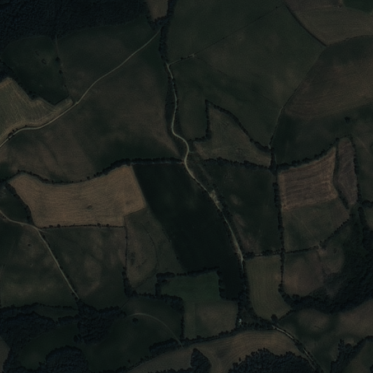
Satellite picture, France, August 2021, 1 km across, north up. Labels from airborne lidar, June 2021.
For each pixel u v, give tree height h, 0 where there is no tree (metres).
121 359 0
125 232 0
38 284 0
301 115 0
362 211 15
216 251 0
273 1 0
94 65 0
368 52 0
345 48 0
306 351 6
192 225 0
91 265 0
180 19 0
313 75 0
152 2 0
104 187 0
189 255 0
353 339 0
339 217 0
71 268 0
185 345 15
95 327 11
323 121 0
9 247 0
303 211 0
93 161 0
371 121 0
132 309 0
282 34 0
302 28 0
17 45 0
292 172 0
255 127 0
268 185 0
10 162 0
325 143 0
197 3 0
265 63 0
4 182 14
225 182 0
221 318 0
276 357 9
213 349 0
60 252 0
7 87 0
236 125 0
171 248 0
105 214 0
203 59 0
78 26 9
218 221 0
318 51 0
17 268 0
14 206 0
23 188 0
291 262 0
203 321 0
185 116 0
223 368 0
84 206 0
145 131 0
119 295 0
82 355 17
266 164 0
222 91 0
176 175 0
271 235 0
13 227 0
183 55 0
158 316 0
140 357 0
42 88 0
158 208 0
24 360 0
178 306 18
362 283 21
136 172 0
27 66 0
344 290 8
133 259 0
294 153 0
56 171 0
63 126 0
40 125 0
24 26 14
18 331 22
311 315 0
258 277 0
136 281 0
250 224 0
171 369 0
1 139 0
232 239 10
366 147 0
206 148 0
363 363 0
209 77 0
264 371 17
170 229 0
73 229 0
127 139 0
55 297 0
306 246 0
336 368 15
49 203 0
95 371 0
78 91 0
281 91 0
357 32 0
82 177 0
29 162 0
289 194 0
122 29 0
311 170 0
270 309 0
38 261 0
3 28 24
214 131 0
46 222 0
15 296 0
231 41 0
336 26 0
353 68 0
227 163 16
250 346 0
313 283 0
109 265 0
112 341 0
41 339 0
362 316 0
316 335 0
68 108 0
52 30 10
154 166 0
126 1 19
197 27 0
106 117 0
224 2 0
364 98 0
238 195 0
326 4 0
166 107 6
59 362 16
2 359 0
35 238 0
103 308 0
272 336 0
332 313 16
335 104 0
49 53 0
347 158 0
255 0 0
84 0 21
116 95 0
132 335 0
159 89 0
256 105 0
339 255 0
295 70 0
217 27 0
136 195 0
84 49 0
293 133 0
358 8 0
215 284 0
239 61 0
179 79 0
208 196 11
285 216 0
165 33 12
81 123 0
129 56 0
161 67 0
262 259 0
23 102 0
